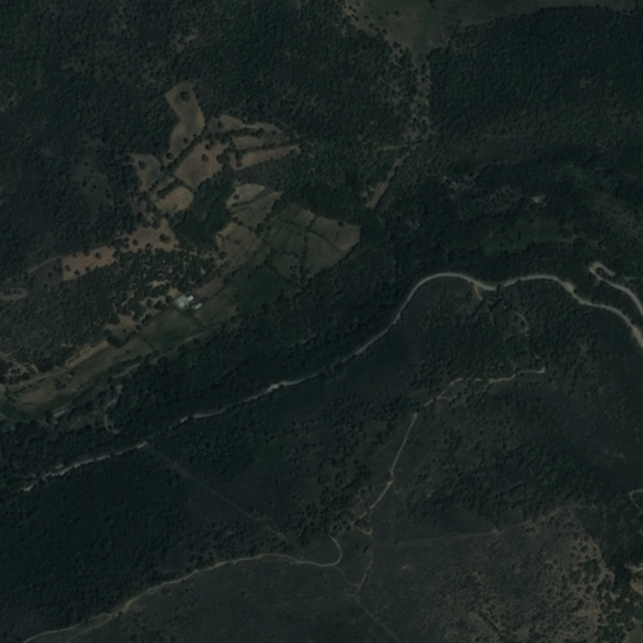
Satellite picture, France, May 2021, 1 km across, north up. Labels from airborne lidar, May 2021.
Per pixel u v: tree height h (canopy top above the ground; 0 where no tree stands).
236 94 8
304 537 13
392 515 0
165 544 7
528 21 11
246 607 0
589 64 8
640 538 7
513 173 18
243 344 9
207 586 0
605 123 11
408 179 10
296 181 11
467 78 9
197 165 0
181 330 0
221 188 13
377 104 10
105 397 18
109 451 14
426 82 7
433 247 15
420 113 8
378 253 9
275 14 9
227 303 0
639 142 7
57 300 8
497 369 9
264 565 0
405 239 19
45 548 8
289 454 8
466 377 7
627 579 10
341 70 10
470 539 0
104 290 8
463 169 15
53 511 7
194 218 11
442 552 0
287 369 22
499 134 9
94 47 8
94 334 12
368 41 12
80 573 14
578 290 9
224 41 7
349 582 0
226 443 12
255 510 12
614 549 10
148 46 8
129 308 8
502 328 9
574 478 12
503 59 6
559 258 7
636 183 9
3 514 9
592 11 11
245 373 20
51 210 9
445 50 8
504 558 0
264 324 11
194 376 13
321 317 13
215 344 13
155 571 14
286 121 7
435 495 10
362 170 10
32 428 19
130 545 16
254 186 0
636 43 7
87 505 9
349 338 15
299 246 0
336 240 0
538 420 8
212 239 14
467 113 11
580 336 9
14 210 6
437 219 15
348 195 9
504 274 8
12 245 11
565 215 9
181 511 7
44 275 0
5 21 9
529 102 9
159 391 18
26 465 14
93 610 10
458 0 0
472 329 7
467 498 7
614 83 6
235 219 7
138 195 10
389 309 21
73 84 8
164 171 10
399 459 0
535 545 0
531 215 8
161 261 7
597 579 9
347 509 10
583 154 19
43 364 9
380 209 12
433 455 0
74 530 9
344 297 11
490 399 10
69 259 0
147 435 14
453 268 6
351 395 8
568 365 8
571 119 8
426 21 0
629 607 13
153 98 10
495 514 8
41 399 0
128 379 15
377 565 0
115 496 10
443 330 6
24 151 6
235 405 8
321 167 10
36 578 8
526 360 7
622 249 7
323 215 9
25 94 10
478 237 10
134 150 6
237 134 8
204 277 12
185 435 12
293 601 0
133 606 0
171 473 15
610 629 6
